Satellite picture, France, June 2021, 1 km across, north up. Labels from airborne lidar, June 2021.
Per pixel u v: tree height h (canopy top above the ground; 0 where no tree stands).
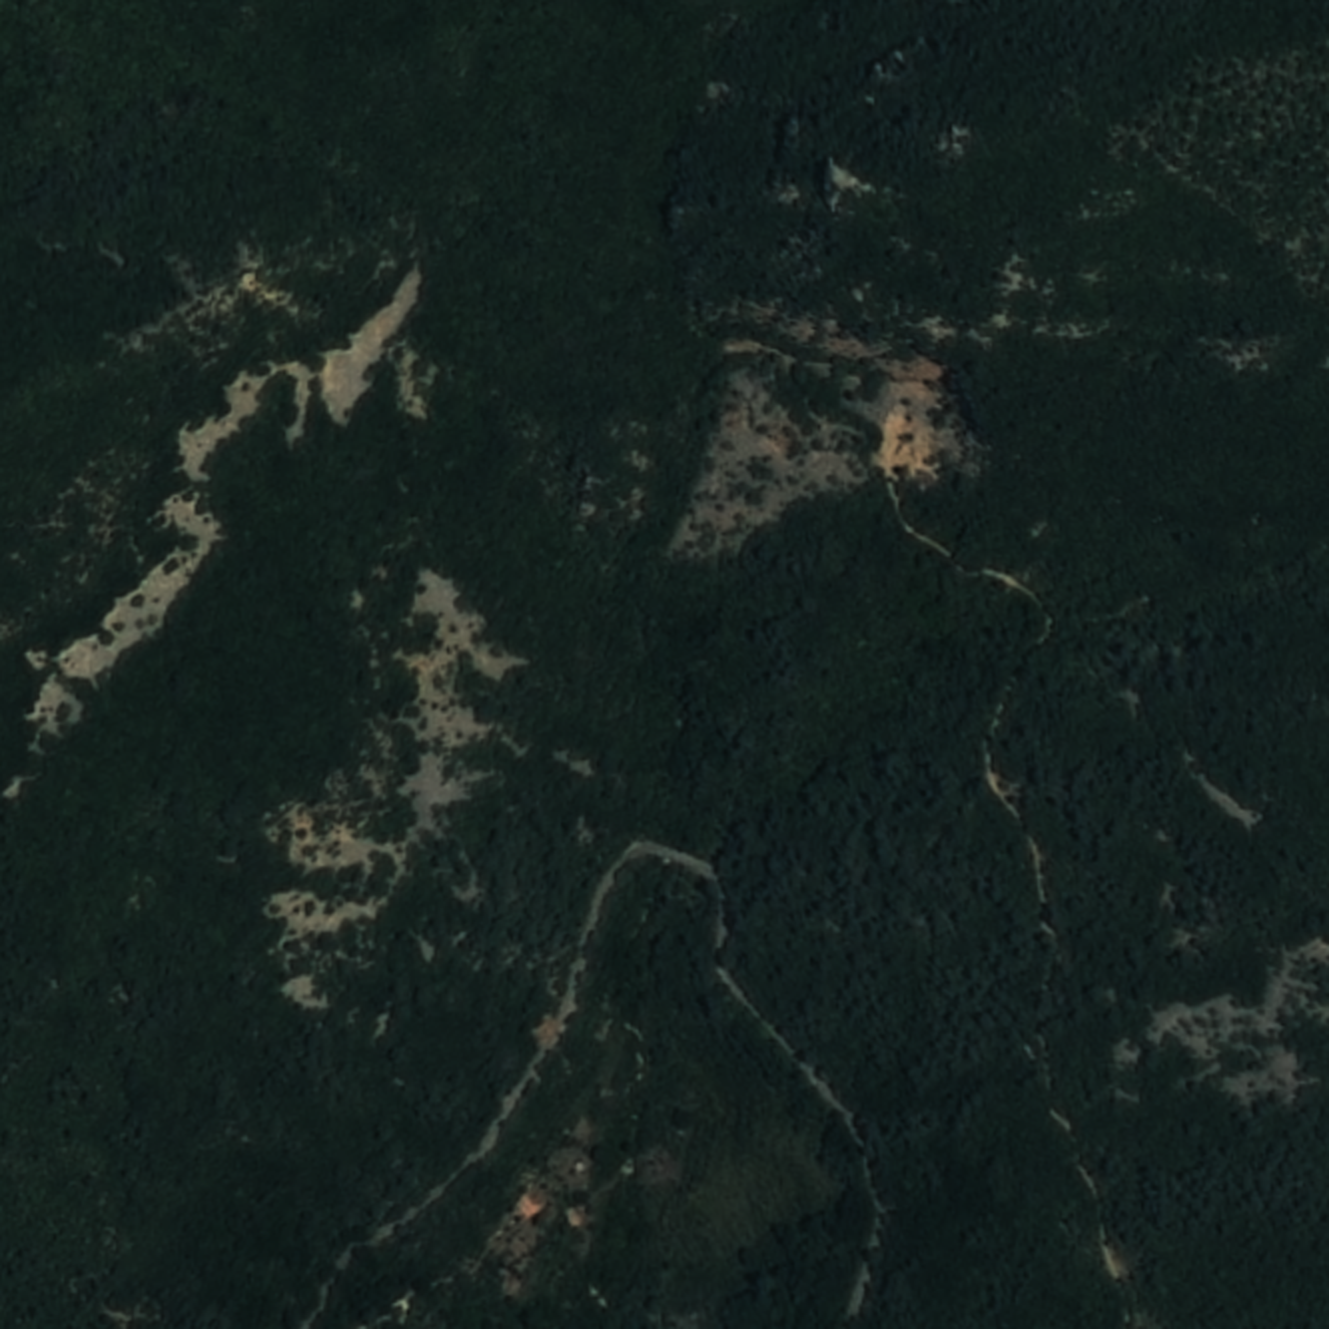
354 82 8
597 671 8
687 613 10
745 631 8
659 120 12
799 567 11
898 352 13
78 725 6
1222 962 11
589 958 9
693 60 9
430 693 0
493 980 7
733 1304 10
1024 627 5
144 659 8
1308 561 17
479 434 10
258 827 6
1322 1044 6
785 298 6
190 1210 11
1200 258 6
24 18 8
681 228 6
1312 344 8
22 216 7
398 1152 17
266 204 6
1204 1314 9
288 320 7
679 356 13
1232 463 8
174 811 12
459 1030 10
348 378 0
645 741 10
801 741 9
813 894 9
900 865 13
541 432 7
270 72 7
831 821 9
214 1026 11
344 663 8
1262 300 7
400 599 10
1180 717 9
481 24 8
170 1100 10
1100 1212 6
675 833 12
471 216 8
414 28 8
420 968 6
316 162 10
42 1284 6
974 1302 6
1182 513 9
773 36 8
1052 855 7
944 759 9
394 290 9
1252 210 6
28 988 10
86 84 7
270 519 9
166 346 7
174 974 16
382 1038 8
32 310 8
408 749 8
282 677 10
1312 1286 9
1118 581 9
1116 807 8
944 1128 11
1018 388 8
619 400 11
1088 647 7
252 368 7
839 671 8
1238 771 6
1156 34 8
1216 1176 18
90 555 8
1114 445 6
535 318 8
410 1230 12
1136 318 6
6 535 7
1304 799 7
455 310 9
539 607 6
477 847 7
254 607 6
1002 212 6
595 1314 11
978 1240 12
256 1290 9
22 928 11
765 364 6
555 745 9
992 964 16
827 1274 11
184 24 5
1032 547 7
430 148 12
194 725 11
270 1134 16
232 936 8
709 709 11
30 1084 6
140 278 7
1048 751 7
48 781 8
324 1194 12
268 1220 13
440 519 8
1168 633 5
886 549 7
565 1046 9
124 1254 7
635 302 11
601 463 8
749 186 8
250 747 11
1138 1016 6
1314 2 8
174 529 8
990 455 7
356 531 11
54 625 11
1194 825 7
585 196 10
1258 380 8
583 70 10
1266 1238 11
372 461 8
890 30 10
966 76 9
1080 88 7
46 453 9
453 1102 23
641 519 8
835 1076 10
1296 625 8
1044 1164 7
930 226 8
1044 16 7
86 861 8
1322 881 9
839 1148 16
